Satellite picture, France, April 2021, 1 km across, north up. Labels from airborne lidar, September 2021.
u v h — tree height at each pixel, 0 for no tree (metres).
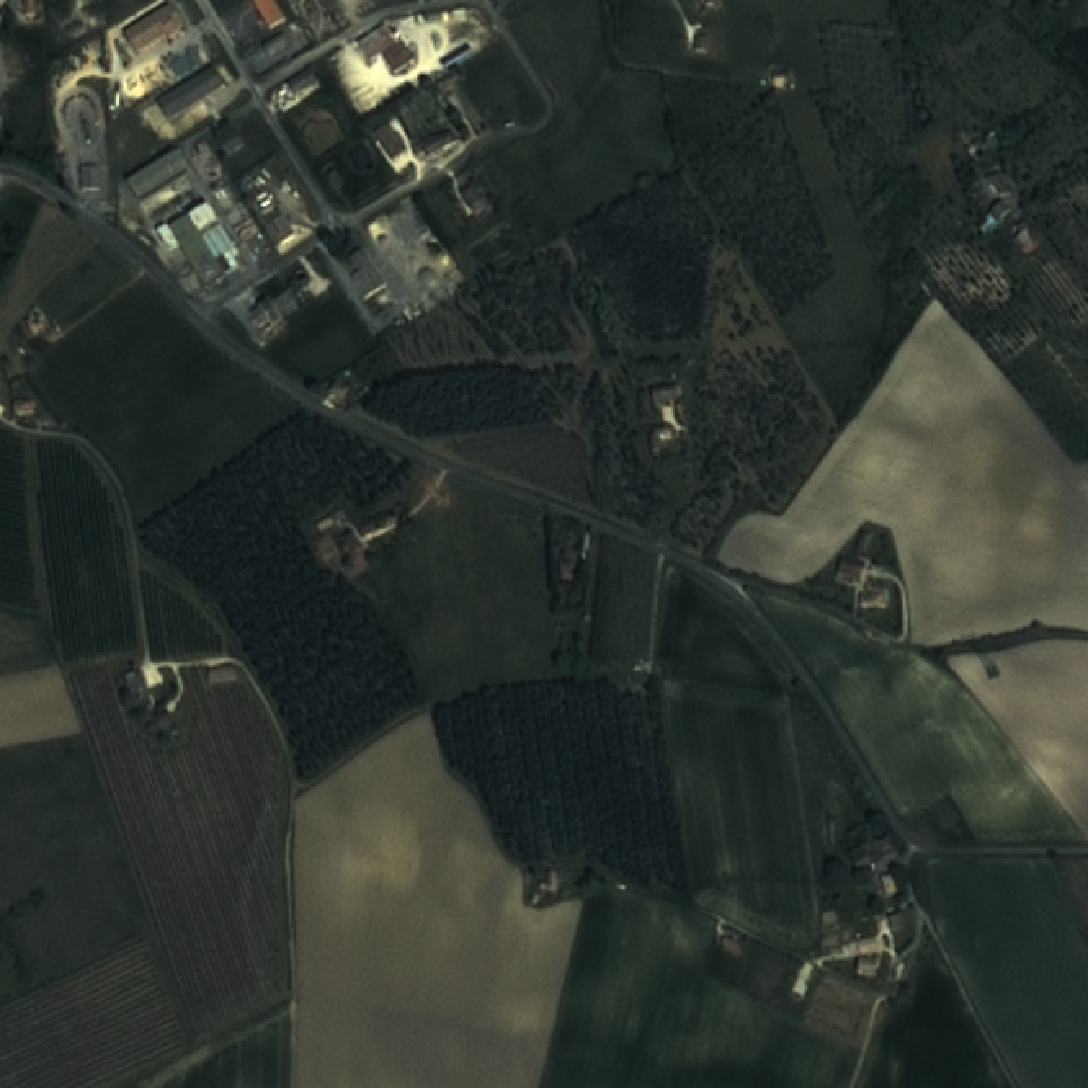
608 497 18
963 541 0
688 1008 0
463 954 0
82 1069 6
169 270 0
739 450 14
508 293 12
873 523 0
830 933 0
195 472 0
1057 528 0
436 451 0
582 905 0
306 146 0
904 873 16
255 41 0
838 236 0
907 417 0
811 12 0
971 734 0
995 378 0
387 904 0
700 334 9
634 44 0
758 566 0
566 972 0
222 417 0
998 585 0
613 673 0
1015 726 0
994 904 0
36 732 0
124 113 0
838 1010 0
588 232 9
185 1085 0
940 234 12
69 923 0
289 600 11
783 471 11
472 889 0
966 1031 0
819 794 0
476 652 0
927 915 0
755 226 8
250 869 6
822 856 0
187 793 5
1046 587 0
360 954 0
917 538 0
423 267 0
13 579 8
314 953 0
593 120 0
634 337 8
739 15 0
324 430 12
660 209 12
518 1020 0
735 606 0
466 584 0
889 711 0
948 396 0
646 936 0
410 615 0
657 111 0
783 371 12
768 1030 0
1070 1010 0
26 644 0
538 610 0
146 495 0
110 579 6
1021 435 0
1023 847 0
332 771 0
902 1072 0
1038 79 5
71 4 0
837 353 12
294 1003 0
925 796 0
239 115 0
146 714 12
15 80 0
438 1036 0
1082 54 0
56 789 0
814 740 0
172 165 0
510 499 0
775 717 0
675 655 0
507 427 15
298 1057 0
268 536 11
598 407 12
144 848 6
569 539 10
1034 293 6
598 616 10
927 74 13
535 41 0
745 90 7
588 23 0
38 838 0
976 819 0
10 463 7
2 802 0
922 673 0
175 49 0
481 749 12
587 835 10
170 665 0
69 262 0
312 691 12
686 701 0
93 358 0
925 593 0
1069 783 0
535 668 0
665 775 10
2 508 8
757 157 7
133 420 0
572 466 17
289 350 0
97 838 0
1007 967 0
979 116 11
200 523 11
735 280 8
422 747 0
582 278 9
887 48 7
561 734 12
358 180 0
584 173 0
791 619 0
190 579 9
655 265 12
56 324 0
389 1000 0
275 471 12
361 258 0
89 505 6
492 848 0
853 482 0
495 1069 0
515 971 0
